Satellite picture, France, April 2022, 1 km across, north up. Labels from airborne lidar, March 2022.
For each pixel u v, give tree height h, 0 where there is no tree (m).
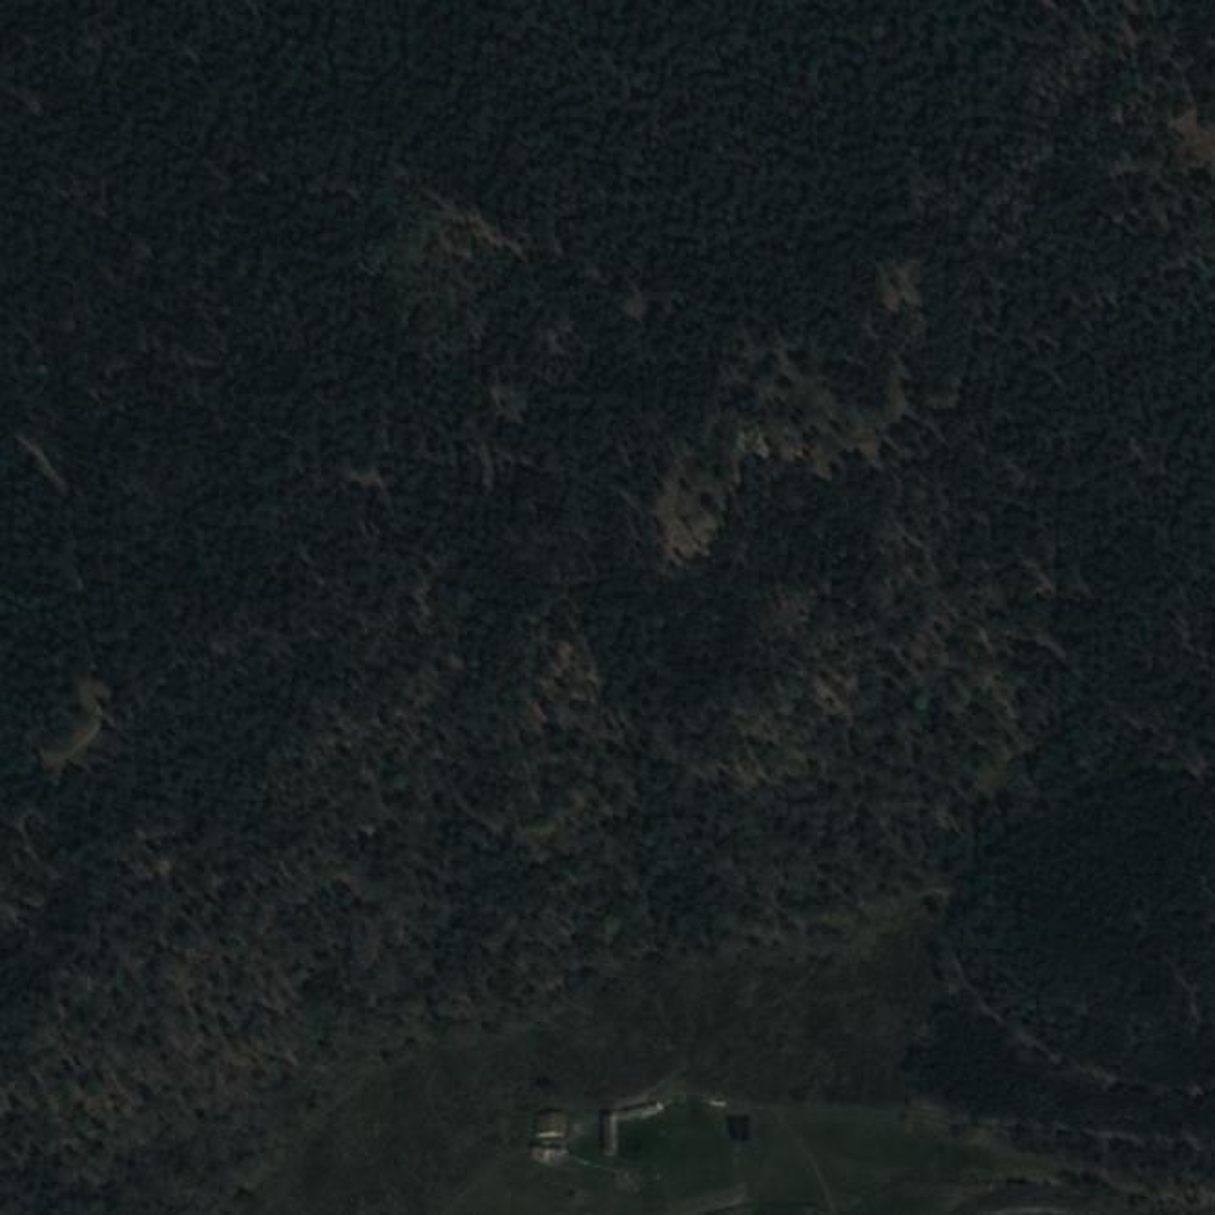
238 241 17
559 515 19
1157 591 23
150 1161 32
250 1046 22
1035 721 27
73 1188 13
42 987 15
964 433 18
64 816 11
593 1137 0
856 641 34
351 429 23
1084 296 13
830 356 20
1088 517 16
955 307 19
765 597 25
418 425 21
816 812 34
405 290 6
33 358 25
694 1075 7
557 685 12
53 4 22
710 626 19
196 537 12
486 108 19
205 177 18
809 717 35
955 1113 18
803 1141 0
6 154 22
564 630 25
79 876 10
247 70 23
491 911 29
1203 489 28
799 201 21
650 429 17
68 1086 39
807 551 20
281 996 36
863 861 29
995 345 17
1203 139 0
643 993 7
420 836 38
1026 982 14
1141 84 21
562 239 14
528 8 31
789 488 11
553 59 25
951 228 17
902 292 22
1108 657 24
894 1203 0
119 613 15
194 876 7
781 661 29
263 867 32
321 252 15
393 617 21
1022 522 29
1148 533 16
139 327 17
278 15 27
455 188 15
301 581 8
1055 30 31
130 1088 35
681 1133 0
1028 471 21
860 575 25
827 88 20
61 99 20
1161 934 22
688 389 23
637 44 23
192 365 15
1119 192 9
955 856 37
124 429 23
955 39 14
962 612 30
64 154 30
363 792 30
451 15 29
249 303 17
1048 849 20
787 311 23
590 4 19
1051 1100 20
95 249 20
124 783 12
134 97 23
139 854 30
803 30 20
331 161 23
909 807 33
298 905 35
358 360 15
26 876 13
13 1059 17
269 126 21
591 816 13
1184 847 18
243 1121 33
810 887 16
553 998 12
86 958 11
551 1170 0
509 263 17
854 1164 0
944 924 29
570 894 9
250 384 18
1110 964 22
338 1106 29
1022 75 24
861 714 35
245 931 16
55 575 22
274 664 26
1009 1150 19
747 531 24
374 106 25
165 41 18
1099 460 23
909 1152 0
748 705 23
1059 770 27
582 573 18
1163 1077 21
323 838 6
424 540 17
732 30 17
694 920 27
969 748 32
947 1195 0
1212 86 9
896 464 22
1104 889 20
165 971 32
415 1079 12
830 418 0
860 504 19
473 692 25
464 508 20
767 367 0
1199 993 23
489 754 14
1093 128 28
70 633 21
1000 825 32
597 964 28
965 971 15
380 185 24
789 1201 0
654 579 21
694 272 16
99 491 20
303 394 21
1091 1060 15
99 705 0
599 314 12
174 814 33
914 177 10
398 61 26
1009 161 15
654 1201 0
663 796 29
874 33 23
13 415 16
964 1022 21
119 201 24
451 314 16
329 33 26
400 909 39
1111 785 19
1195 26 9
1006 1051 21
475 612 14
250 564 23
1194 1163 27
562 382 16
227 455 16
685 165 22
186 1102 22
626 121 20
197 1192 23
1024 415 22
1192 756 32
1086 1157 26
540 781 17
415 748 33
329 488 15
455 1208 0
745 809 30
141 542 25
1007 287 20
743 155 19
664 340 14
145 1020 7
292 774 32
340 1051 33
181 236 15
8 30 14
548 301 14
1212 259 24
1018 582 34
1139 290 20
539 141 23
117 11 16
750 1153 0
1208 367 22
